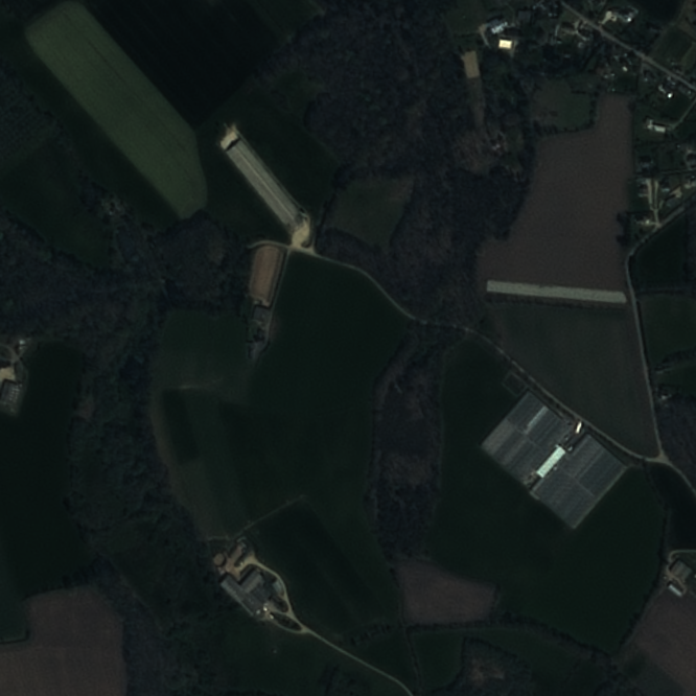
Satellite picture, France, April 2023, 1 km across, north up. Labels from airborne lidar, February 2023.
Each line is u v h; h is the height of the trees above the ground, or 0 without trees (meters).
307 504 0
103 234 0
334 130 22
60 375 0
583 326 0
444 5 21
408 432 0
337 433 0
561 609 0
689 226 13
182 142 0
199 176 0
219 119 0
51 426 0
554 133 14
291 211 0
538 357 0
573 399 0
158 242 22
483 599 0
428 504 17
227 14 0
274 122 0
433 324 9
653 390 8
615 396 0
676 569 0
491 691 6
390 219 0
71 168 0
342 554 0
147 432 21
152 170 0
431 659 0
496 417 0
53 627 0
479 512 0
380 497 15
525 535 0
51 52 0
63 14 0
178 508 14
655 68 0
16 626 0
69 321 28
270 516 0
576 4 10
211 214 0
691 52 0
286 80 0
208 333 0
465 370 0
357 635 0
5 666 0
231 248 16
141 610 22
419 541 19
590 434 7
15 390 0
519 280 0
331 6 23
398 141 12
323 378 0
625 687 11
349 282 0
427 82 26
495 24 0
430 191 18
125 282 22
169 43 0
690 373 0
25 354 0
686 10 0
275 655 0
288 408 0
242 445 0
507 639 0
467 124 18
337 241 18
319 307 0
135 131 0
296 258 0
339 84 21
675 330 0
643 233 7
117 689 0
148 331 8
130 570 0
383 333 0
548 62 21
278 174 0
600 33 6
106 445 12
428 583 0
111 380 8
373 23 17
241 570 0
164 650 28
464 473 0
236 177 0
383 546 15
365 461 0
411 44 25
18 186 0
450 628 6
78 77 0
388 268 18
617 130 0
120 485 8
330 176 0
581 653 13
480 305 15
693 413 21
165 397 0
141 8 0
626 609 0
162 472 21
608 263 0
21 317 25
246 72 0
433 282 20
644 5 0
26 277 23
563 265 0
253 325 0
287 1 0
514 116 24
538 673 0
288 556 0
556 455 0
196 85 0
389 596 0
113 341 22
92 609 0
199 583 0
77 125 0
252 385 0
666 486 0
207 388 0
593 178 0
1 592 0
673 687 0
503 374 0
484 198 19
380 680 0
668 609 0
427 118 18
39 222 0
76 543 0
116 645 0
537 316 0
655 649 0
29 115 33
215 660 0
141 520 9
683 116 0
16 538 0
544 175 0
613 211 0
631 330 0
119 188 0
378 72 21
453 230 13
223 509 0
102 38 0
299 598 0
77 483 7
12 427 0
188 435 0
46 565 0
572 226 0
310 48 20
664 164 0
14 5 0
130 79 0
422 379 12
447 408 0
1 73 26
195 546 16
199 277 21
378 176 21
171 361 0
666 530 7
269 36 0
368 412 0
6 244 28
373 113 23
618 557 0
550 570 0
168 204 0
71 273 23
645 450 0
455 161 15
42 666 0
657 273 0
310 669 0
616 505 0
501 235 17
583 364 0
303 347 0
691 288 13
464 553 0
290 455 0
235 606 8
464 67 13
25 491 0
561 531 0
